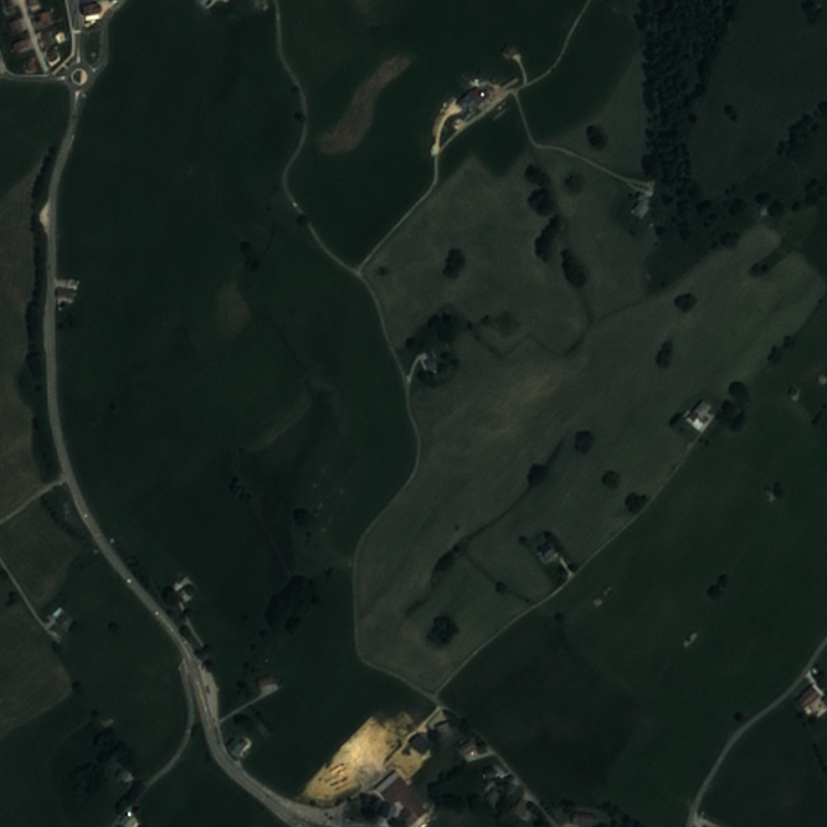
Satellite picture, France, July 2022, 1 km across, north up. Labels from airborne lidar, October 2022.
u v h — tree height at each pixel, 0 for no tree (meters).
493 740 0
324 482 0
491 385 0
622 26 0
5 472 0
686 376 0
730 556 0
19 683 0
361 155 0
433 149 0
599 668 0
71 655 0
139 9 0
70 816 0
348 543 0
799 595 0
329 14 0
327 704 0
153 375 0
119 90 0
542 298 0
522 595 0
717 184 0
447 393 0
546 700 0
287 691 0
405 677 0
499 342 0
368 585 0
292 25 0
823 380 0
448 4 0
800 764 0
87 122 0
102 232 0
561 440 0
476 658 0
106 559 0
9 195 0
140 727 0
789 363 0
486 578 0
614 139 0
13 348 0
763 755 0
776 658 0
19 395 0
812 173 0
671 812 0
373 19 0
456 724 15
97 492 0
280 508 0
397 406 0
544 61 0
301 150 0
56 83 0
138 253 0
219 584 0
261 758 0
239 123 0
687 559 0
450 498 0
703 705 0
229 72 0
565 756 0
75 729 0
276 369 0
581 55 0
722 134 0
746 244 0
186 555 0
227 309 0
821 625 0
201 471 0
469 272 0
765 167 0
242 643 0
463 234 0
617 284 0
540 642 0
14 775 0
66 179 0
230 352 0
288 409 0
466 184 0
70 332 0
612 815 8
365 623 0
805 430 0
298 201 0
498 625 0
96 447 0
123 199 0
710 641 0
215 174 0
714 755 0
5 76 0
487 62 0
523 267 0
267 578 0
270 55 0
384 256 0
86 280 0
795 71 0
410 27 0
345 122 0
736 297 0
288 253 0
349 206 0
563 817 0
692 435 0
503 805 16
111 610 0
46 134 0
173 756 0
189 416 0
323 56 0
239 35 0
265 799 0
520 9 0
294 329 0
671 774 0
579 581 0
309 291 0
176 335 0
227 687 0
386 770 0
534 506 0
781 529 0
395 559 0
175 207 0
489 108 0
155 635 0
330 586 0
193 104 0
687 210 18
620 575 0
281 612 22
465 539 0
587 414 0
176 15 0
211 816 0
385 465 0
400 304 0
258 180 0
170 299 0
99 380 0
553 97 0
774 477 0
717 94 0
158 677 0
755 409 0
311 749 0
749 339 0
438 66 0
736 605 0
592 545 0
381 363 0
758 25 0
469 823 0
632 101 0
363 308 0
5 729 0
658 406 0
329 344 0
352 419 0
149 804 0
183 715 0
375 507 0
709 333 0
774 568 0
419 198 0
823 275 0
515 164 0
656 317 0
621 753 0
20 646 0
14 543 0
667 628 0
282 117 0
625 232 0
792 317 0
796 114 0
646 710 0
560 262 0
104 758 17
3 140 0
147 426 0
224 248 0
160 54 0
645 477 0
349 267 0
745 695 0
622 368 0
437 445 0
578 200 0
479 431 0
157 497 0
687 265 0
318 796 0
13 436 0
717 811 0
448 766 0
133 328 0
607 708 0
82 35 0
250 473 0
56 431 0
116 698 0
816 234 0
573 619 0
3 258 0
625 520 0
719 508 0
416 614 0
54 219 0
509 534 0
